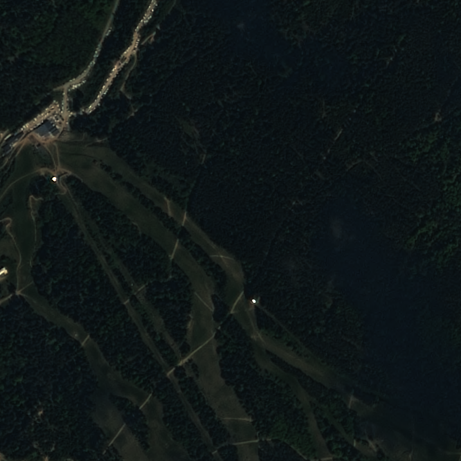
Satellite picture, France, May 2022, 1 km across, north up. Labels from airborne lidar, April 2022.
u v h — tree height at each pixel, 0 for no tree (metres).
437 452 0
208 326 0
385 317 20
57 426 11
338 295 25
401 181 21
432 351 19
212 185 25
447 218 23
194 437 18
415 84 25
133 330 23
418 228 16
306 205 23
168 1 7
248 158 25
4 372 20
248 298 22
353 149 6
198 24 13
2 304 0
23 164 0
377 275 18
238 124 27
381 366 21
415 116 21
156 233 0
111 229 11
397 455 0
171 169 20
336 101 20
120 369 9
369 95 22
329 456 0
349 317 20
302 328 18
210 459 16
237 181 18
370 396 17
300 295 13
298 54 25
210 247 0
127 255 14
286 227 16
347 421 25
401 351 19
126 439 0
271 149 24
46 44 21
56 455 11
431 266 19
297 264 23
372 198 18
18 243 0
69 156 0
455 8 19
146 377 8
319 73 21
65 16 22
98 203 15
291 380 0
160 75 23
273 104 28
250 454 0
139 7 13
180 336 14
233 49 28
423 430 0
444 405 24
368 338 22
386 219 23
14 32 25
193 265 0
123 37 15
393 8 29
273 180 22
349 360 20
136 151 19
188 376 10
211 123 24
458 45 23
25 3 32
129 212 0
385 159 19
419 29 25
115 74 0
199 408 14
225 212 26
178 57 26
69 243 30
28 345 30
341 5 7
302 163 26
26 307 31
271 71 28
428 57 25
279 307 21
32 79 33
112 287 16
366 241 24
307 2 11
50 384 29
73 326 0
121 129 14
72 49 18
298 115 26
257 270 19
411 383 23
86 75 0
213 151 23
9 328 31
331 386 0
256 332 0
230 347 8
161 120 22
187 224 0
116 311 16
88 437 9
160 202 0
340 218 23
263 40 25
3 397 24
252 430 0
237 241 25
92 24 17
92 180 0
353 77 27
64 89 0
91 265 18
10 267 0
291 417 13
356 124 19
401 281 12
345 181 17
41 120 0
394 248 19
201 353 0
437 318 17
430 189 19
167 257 14
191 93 24
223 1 25
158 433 0
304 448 9
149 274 19
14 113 30
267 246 26
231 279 0
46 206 20
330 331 20
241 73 29
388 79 25
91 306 30
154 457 0
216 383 0
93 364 0
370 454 0
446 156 28
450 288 16
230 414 0
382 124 26
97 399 0
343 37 29
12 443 27
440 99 20
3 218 0
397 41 16
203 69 20
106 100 8
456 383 13
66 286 33
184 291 13
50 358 29
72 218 16
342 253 18
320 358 20
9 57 8
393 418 0
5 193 0
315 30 9
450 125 23
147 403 0
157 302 19
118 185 0
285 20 8
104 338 20
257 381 18
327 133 20
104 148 0
